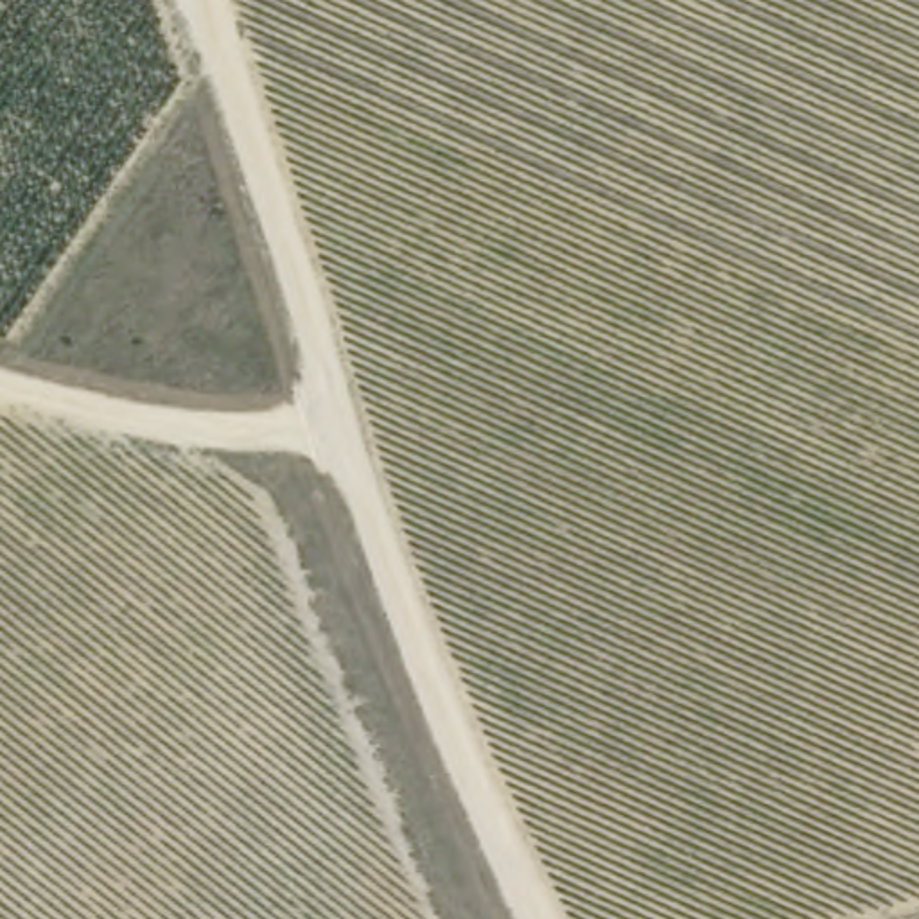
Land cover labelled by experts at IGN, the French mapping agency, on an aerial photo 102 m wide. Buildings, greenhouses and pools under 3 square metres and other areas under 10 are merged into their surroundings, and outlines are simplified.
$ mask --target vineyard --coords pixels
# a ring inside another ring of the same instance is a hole
[[[108,219],[115,197],[147,162],[147,154],[165,140],[165,126],[208,79],[176,0],[0,0],[0,334],[7,330],[11,341],[22,341],[32,330],[61,280],[68,276],[72,262],[83,255],[86,241]]]
[[[546,880],[553,883],[567,919],[826,919],[847,908],[862,912],[919,894],[919,0],[233,0],[237,36],[248,39],[258,54],[255,68],[266,86],[273,129],[284,140],[287,172],[316,248],[316,266],[330,284],[337,323],[345,330],[345,359],[352,373],[348,391],[355,402],[363,445],[373,460],[381,456],[384,463],[384,481],[391,488],[402,535],[420,571],[434,621],[445,635],[452,661],[460,664],[460,678],[470,693],[481,736],[488,740],[492,761],[506,779],[524,833],[531,836]]]
[[[355,750],[345,740],[323,671],[309,661],[309,639],[294,614],[294,600],[276,564],[276,549],[266,528],[258,524],[251,492],[241,488],[244,474],[223,463],[230,449],[169,445],[136,434],[79,434],[65,416],[43,416],[25,406],[0,406],[0,919],[420,919],[416,894],[409,890],[398,869],[384,822],[366,790],[366,779],[359,775]]]

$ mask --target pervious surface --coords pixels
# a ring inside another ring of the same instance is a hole
[[[363,445],[355,402],[348,391],[352,373],[345,359],[345,330],[337,323],[330,284],[316,266],[316,248],[287,172],[284,140],[273,129],[266,86],[255,68],[258,54],[248,39],[237,36],[233,0],[176,0],[208,79],[233,154],[241,162],[244,187],[251,194],[255,215],[269,244],[269,258],[291,319],[291,337],[298,341],[302,377],[294,384],[294,398],[266,413],[197,413],[126,402],[0,370],[0,406],[25,406],[43,416],[65,416],[79,434],[136,434],[169,445],[230,449],[309,456],[316,470],[330,474],[341,488],[381,607],[395,632],[406,675],[420,700],[424,722],[513,919],[567,919],[553,883],[546,880],[531,836],[524,833],[506,779],[492,761],[488,740],[481,736],[470,693],[460,678],[460,664],[452,661],[445,635],[434,621],[420,571],[402,535],[391,488],[384,481],[384,463],[381,456],[373,460]]]

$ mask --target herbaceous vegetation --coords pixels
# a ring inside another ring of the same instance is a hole
[[[323,671],[345,740],[355,750],[359,775],[366,779],[366,790],[384,822],[398,869],[409,890],[416,894],[420,919],[513,919],[424,722],[420,700],[406,675],[395,632],[381,607],[341,488],[330,474],[316,470],[309,456],[230,449],[223,463],[244,474],[241,488],[251,492],[258,524],[266,528],[276,549],[276,564],[294,600],[294,614],[309,639],[309,661]]]
[[[919,919],[919,894],[862,912],[847,908],[826,919]]]
[[[115,197],[108,219],[86,241],[83,255],[72,262],[68,276],[61,280],[32,330],[22,341],[11,341],[7,330],[0,334],[0,370],[126,402],[197,413],[266,413],[294,398],[294,384],[302,377],[298,341],[291,337],[291,319],[269,258],[269,244],[255,215],[251,194],[244,187],[241,162],[233,154],[208,79],[165,126],[165,140],[147,154],[147,162]]]

